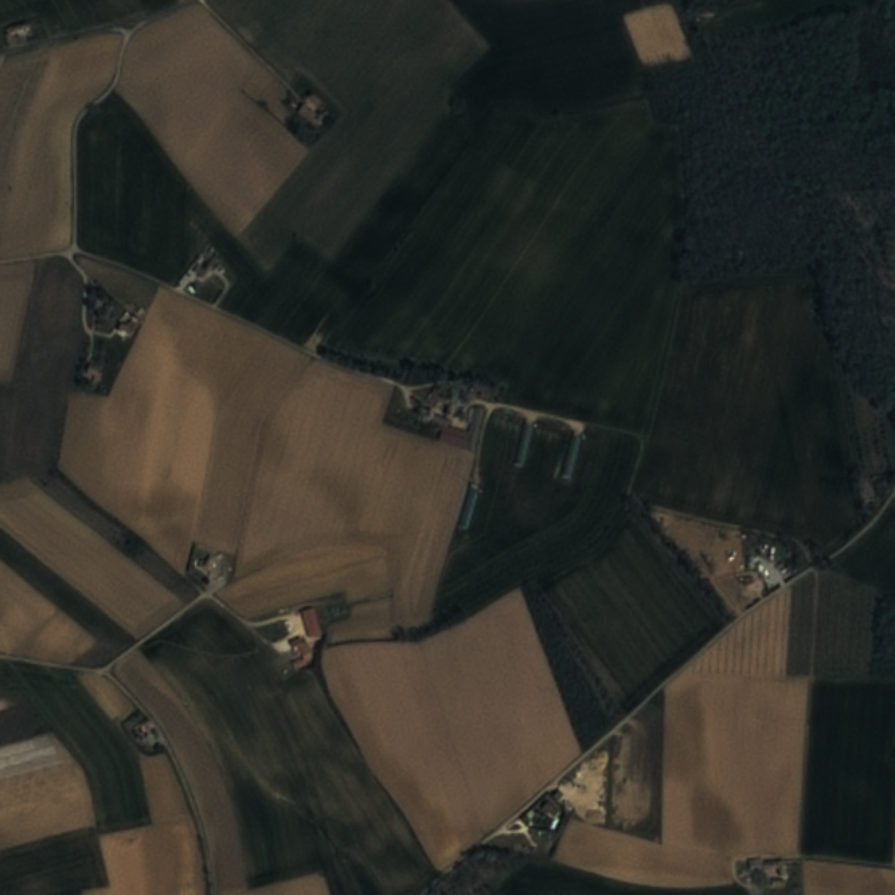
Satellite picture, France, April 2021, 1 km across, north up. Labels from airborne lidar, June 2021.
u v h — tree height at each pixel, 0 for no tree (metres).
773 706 0
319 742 0
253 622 0
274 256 0
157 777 0
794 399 0
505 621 0
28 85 0
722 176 13
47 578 0
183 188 0
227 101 0
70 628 0
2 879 0
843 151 7
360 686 0
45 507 0
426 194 0
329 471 0
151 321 0
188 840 0
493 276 0
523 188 0
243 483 0
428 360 0
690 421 0
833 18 18
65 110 0
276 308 0
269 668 0
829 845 0
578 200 0
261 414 0
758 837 0
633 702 0
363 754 0
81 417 0
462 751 0
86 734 0
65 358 0
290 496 0
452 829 0
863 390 11
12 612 0
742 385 0
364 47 0
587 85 0
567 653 7
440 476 0
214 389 0
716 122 11
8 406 0
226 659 0
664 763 0
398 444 0
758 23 0
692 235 9
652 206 0
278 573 0
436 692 0
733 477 0
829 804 0
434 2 0
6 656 0
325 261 0
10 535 0
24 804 0
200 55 0
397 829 0
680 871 0
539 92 0
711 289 0
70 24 0
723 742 0
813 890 0
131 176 0
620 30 0
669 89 13
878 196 17
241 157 0
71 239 0
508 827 0
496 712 0
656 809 0
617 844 0
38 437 0
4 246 0
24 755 0
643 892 0
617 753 0
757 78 11
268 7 0
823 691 0
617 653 0
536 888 0
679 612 0
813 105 14
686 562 20
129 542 7
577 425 0
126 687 0
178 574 0
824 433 0
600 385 0
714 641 0
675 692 0
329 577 0
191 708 0
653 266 0
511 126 0
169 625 0
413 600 0
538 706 0
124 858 0
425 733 0
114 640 0
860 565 0
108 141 0
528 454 0
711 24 0
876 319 15
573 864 0
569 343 0
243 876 0
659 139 0
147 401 0
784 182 14
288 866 0
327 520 0
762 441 0
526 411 0
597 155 0
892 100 15
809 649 0
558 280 0
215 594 0
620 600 0
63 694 0
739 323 0
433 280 0
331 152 0
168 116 0
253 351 0
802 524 0
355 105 0
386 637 0
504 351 0
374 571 0
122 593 0
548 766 0
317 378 0
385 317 0
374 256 0
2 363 0
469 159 0
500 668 0
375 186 0
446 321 0
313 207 0
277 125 0
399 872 0
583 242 0
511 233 0
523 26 0
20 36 9
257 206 0
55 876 0
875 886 0
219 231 0
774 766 0
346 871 0
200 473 0
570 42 0
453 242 0
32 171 0
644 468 0
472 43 0
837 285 19
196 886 0
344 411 0
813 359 0
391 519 0
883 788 0
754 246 16
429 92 0
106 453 0
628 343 0
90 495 0
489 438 0
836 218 19
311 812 0
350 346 0
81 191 0
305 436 0
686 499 0
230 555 0
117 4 0
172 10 0
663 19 0
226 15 0
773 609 0
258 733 0
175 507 0
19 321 0
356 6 0
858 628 0
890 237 7
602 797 0
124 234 0
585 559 0
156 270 0
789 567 9
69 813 0
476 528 0
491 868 14
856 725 0
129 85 0
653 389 0
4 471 0
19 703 0
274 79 0
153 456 0
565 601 0
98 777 0
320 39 0
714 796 0
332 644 0
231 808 0
